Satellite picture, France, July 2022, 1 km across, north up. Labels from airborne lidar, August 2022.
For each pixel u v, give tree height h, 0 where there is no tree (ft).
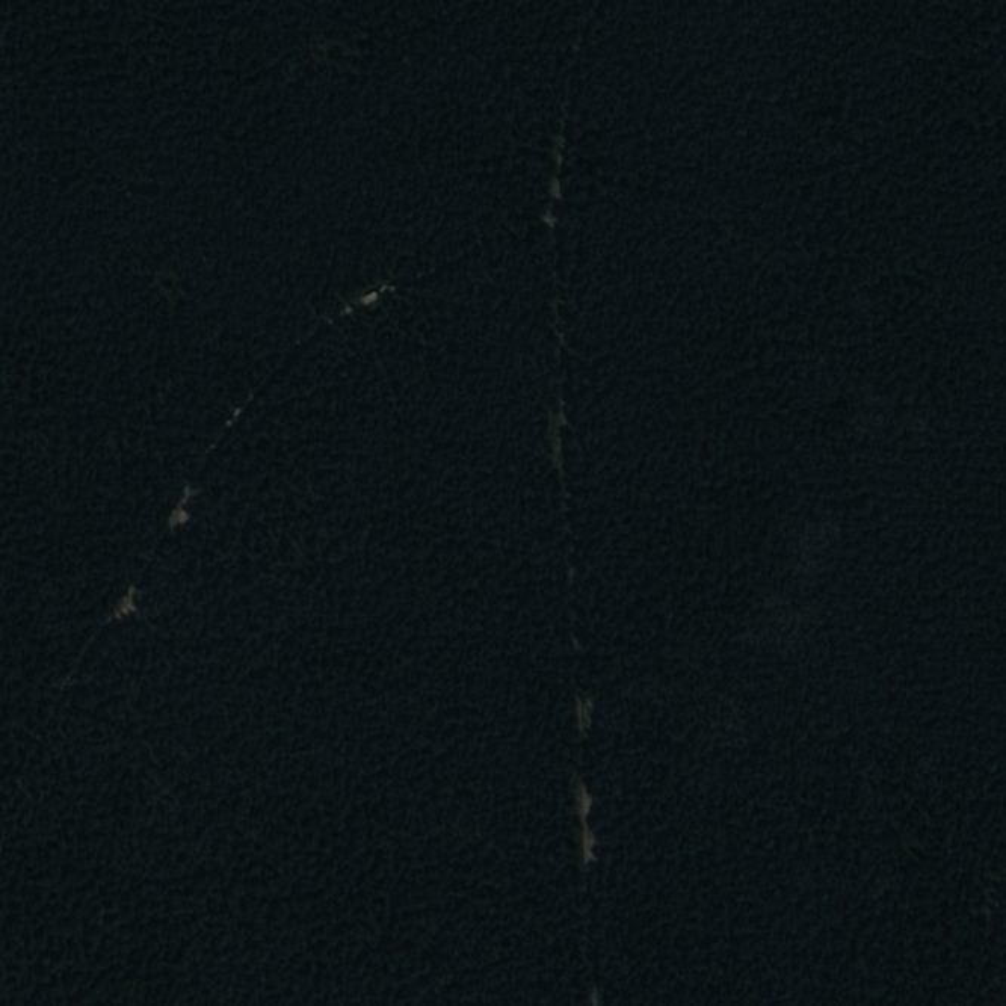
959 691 85
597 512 83
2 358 65
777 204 72
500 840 79
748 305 72
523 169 75
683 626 78
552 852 77
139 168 50
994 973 65
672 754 70
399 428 82
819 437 59
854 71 65
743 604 71
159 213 65
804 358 60
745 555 71
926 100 72
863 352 72
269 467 66
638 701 66
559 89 66
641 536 80
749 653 74
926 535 71
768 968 64
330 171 77
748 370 68
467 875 77
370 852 70
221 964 84
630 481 85
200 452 65
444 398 79
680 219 80
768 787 68
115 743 63
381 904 76
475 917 89
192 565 93
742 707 68
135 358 57
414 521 80
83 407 52
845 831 55
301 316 62
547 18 62
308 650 77
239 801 70
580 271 90
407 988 64
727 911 64
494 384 87
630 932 84
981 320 68
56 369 54
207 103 62
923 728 80
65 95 71
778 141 73
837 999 72
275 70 66
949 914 73
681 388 78
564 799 91
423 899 71
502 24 73
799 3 79
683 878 74
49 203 72
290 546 82
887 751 63
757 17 83
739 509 71
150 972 79
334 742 73
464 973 82
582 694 63
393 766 60
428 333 92
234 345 61
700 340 76
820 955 70
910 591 58
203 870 65
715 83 82
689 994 87
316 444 72
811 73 87
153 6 55
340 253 74
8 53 63
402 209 61
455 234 72
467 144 75
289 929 67
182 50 62
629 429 98
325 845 79
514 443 92
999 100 69
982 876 85
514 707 88
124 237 66
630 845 88
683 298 87
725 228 70
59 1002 76
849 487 53
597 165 64
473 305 89
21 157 74
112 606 64
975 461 71
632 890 76
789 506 65
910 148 65
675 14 89
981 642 70
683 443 96
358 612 87
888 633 78
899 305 62
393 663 79
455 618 83
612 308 73
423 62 72
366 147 67
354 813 71
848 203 68
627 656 78
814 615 64
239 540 21
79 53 63
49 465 58
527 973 83
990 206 65
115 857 66
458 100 65
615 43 73
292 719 49
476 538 75
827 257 67
